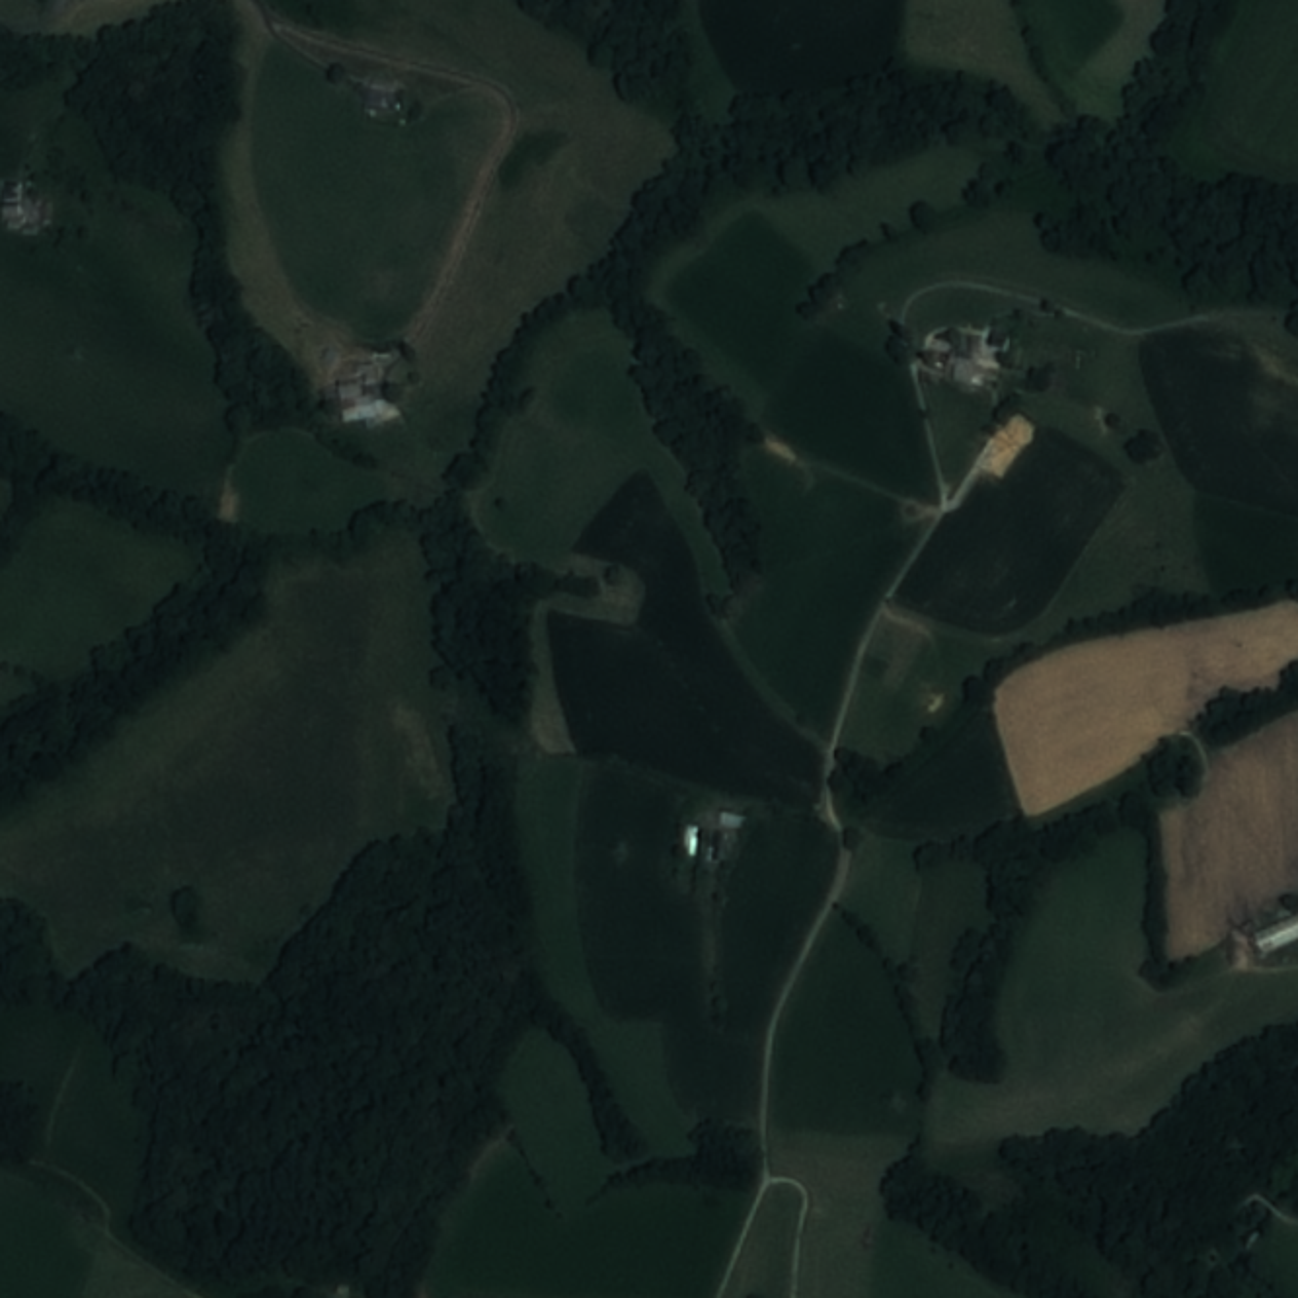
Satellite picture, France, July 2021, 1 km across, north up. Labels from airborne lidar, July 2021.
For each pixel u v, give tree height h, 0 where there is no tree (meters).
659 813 0
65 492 14
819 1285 0
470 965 11
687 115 7
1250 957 0
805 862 0
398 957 15
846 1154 0
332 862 0
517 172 0
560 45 0
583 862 0
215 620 26
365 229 0
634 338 9
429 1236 20
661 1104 0
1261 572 0
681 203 20
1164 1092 0
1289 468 0
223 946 0
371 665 0
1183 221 25
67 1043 0
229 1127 28
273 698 0
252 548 16
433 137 0
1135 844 0
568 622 0
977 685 21
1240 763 0
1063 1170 30
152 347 0
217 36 17
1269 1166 37
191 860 0
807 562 0
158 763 0
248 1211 24
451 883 19
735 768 0
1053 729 0
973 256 0
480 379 0
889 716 0
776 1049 0
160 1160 23
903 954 0
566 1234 0
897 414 0
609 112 0
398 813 0
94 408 0
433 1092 24
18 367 0
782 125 18
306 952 30
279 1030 24
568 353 0
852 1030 0
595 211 0
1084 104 0
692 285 0
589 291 27
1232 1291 17
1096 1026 0
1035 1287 20
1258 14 0
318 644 0
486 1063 19
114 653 7
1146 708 0
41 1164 0
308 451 0
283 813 0
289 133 0
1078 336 0
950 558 0
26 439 27
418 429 0
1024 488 0
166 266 0
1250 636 0
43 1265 0
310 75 0
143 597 0
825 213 0
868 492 0
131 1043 22
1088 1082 0
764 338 0
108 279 0
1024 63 0
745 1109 0
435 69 0
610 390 0
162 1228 21
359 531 18
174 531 8
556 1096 0
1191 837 0
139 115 19
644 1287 0
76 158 0
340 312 0
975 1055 23
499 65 0
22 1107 10
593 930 0
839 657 0
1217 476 0
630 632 0
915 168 0
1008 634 0
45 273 0
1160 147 23
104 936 0
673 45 10
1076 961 0
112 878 0
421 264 0
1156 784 12
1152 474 0
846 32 0
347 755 0
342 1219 13
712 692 0
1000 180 10
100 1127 0
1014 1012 0
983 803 0
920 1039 7
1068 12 0
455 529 10
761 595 0
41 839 0
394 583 0
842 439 0
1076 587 0
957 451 0
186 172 15
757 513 25
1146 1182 30
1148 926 11
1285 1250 0
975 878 0
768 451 0
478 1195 0
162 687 21
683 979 0
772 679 0
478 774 26
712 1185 16
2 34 21
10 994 20
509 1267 0
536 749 0
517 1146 14
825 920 0
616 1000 0
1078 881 0
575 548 0
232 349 30
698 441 19
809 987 0
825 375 0
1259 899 0
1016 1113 0
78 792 0
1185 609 10
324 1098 28
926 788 0
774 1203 0
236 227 0
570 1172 0
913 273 0
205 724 0
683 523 0
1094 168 20
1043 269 0
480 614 31
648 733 0
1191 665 0
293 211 0
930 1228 23
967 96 19
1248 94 0
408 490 0
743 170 22
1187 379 0
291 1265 20
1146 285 0
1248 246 26
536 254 0
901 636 0
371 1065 22
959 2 0
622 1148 14
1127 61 0
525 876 16
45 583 0
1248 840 0
